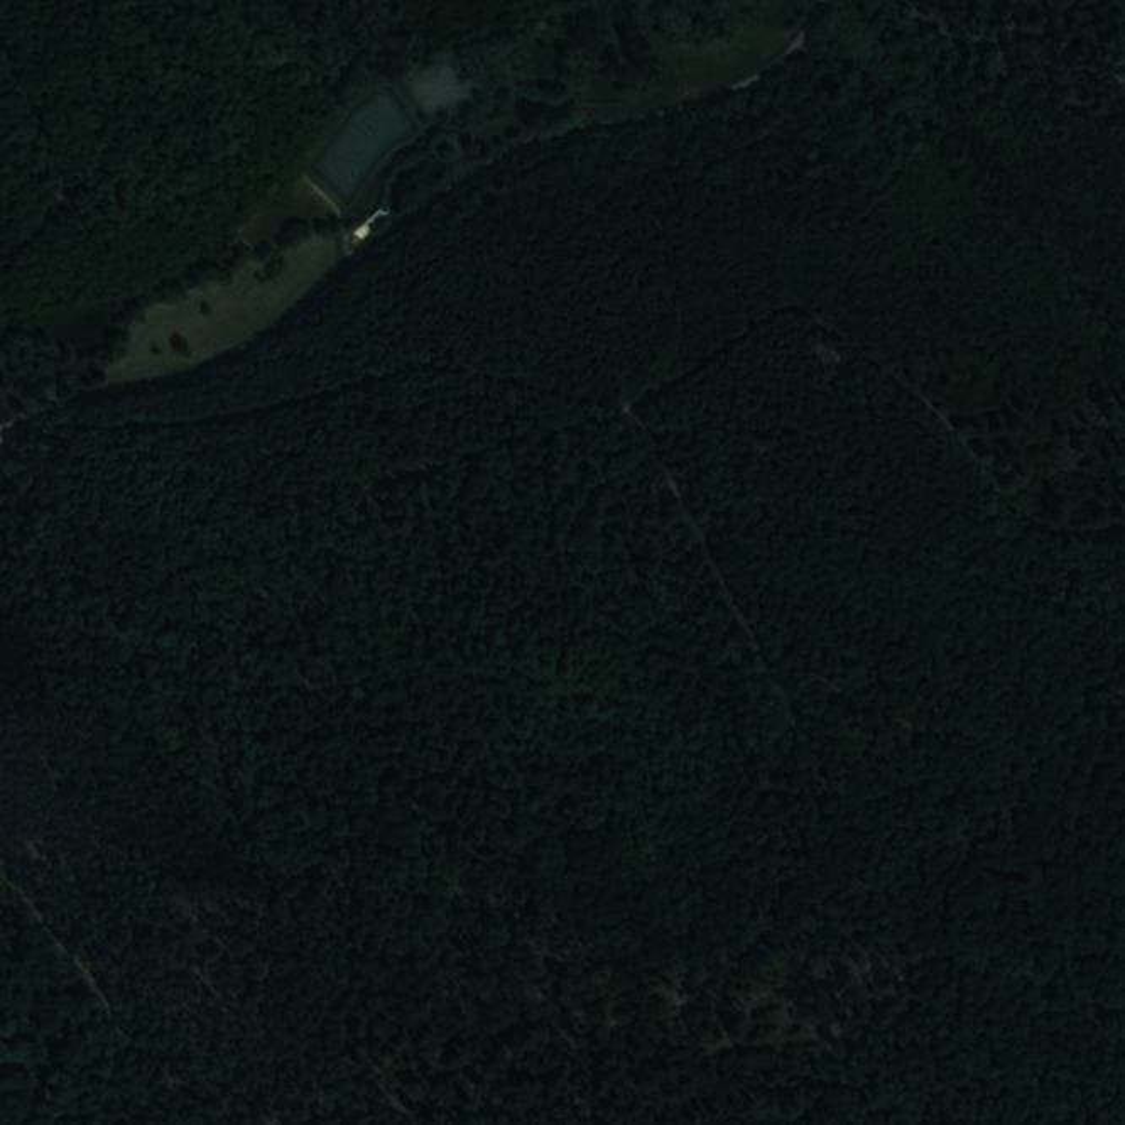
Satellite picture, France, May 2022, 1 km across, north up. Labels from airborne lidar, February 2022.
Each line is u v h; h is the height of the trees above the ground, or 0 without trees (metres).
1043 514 19
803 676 27
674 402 23
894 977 0
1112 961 29
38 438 28
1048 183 21
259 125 30
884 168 15
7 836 27
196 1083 30
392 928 30
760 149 14
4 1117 35
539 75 0
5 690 15
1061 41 19
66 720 21
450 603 26
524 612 19
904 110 14
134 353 0
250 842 30
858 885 27
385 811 35
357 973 25
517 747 26
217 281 19
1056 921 29
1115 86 26
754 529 28
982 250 17
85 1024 27
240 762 28
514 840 33
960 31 28
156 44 30
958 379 6
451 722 22
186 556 25
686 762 25
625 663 23
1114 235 20
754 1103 31
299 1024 28
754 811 28
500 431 23
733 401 21
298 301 0
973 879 31
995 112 15
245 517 23
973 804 28
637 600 31
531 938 27
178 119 30
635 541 28
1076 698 27
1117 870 25
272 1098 26
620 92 28
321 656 29
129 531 24
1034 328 14
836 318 15
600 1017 30
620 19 28
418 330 26
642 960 31
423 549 19
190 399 19
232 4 32
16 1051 35
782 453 28
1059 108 21
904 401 22
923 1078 29
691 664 30
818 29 19
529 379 22
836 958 26
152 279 20
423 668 28
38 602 26
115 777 15
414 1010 23
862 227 16
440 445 12
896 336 15
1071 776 32
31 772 24
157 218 29
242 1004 28
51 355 22
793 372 25
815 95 16
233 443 27
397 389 20
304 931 26
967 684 32
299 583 30
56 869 30
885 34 18
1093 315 17
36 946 27
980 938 29
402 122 0
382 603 30
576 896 30
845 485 25
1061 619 31
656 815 19
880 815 26
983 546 29
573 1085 32
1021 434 18
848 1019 29
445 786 34
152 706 28
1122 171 17
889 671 30
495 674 27
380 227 11
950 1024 23
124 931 29
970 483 25
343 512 27
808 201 18
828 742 27
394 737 21
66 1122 36
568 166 19
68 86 30
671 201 14
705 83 0
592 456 32
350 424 23
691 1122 32
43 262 27
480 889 35
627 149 17
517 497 30
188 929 26
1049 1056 22
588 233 14
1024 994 27
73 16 34
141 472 26
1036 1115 29
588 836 30
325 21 31
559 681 21
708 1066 14
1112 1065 27
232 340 0
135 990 32
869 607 28
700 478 29
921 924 29
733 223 14
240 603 29
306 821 33
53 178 23
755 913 29
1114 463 39
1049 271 16
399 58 26
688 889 25
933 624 27
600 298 21
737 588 24
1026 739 31
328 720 22
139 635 32
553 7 20
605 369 20
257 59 31
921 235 17
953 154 17
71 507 24
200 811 26
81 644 23
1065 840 31
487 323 21
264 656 33
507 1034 6
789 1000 0
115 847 27
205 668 31
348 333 20
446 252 16
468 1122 35
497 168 9
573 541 30
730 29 27
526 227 13
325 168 0
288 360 20
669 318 15
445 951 35
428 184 15
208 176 30
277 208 0
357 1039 31
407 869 36
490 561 30
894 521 31
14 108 29
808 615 27
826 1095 33
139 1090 28
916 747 29
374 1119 15
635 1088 33
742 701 27
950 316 18
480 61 28
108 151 28
